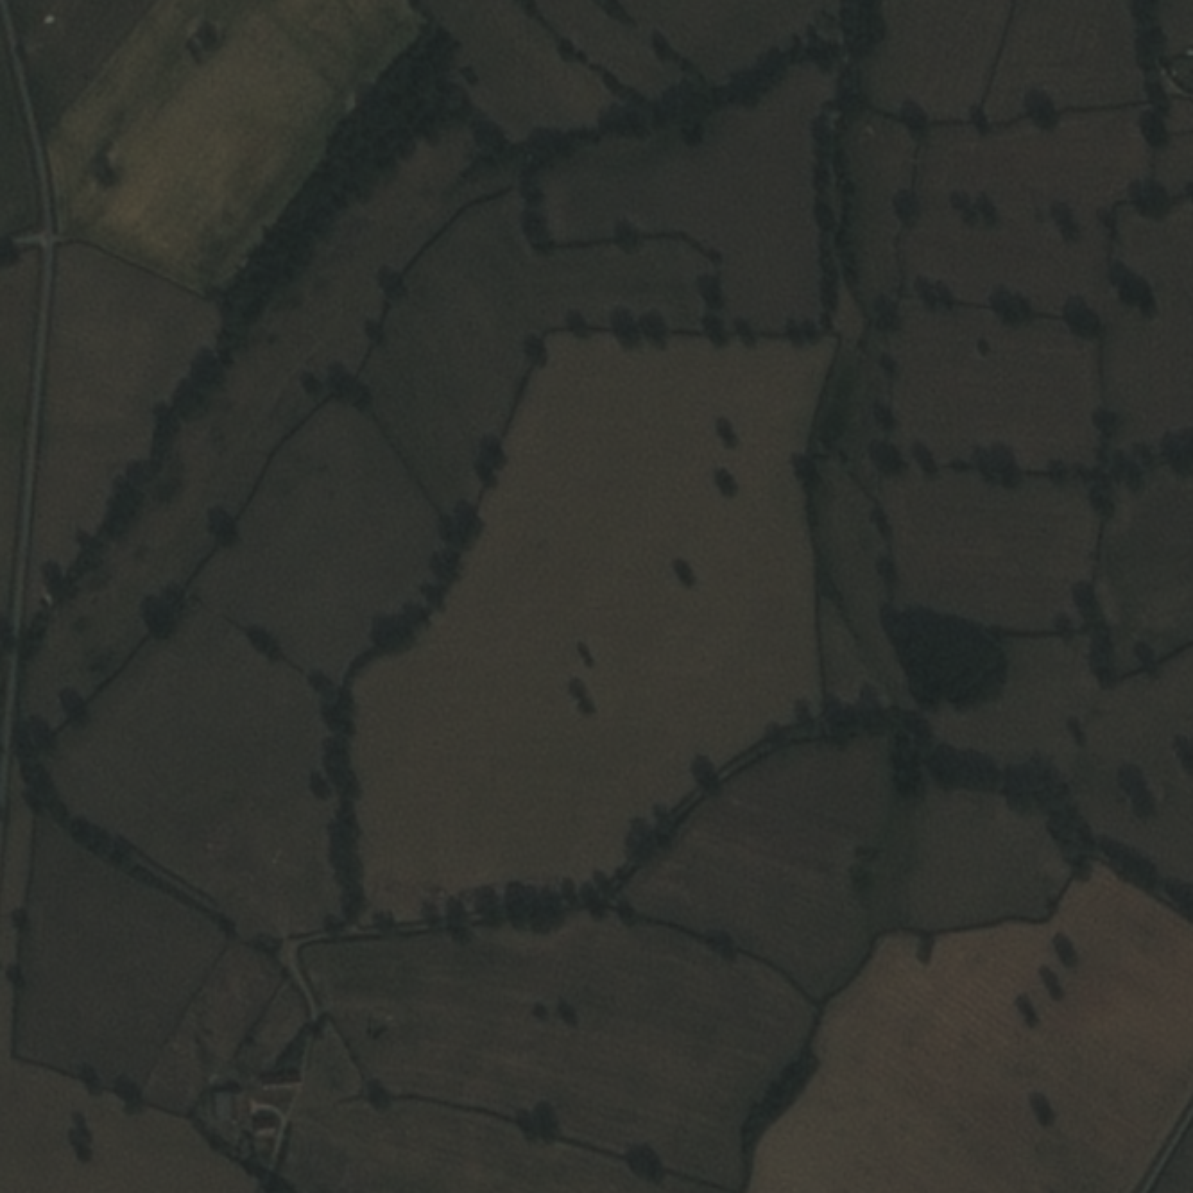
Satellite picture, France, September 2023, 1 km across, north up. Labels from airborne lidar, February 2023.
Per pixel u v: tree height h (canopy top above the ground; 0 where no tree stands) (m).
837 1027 0
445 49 11
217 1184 0
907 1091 0
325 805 0
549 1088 0
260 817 0
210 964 0
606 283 0
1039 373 0
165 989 0
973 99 0
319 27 0
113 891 0
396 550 0
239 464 0
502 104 0
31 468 0
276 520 0
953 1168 0
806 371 0
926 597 0
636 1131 0
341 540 0
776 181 0
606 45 0
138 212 0
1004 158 0
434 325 0
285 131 0
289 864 0
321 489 0
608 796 0
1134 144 0
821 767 0
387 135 17
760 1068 0
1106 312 0
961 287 0
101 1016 0
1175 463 20
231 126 0
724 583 0
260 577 0
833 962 0
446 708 0
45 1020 0
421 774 0
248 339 0
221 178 0
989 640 7
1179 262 0
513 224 0
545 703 0
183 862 0
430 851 0
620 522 0
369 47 0
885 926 0
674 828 11
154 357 0
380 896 0
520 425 0
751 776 0
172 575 0
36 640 6
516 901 19
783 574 0
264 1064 0
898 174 0
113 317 0
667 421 0
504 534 0
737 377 0
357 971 0
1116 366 0
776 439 0
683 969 0
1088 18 0
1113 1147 0
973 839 0
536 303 0
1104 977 0
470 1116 0
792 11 0
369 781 0
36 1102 0
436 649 0
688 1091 0
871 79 0
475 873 0
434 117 15
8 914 0
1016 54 0
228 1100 0
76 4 0
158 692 0
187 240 0
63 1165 0
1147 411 0
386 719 0
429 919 17
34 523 0
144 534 0
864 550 0
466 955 0
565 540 0
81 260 0
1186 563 0
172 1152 0
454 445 0
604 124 14
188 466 0
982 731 0
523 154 12
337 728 13
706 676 0
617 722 0
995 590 0
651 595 0
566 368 0
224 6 0
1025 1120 0
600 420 0
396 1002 0
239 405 0
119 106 0
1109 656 15
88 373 0
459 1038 0
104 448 0
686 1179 0
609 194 0
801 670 0
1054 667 0
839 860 0
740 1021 0
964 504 0
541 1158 0
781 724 0
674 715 0
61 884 0
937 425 0
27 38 0
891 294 0
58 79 0
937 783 15
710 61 0
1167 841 0
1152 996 0
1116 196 0
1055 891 0
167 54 0
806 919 0
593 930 0
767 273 0
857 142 0
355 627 0
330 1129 0
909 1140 0
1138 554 0
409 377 0
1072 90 0
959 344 0
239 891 0
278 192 0
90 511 0
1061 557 0
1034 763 0
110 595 0
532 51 0
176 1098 0
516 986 0
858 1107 0
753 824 0
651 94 0
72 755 0
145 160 0
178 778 0
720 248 0
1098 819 0
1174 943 0
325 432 0
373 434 0
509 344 0
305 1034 6
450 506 0
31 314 0
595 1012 0
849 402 0
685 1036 0
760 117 0
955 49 0
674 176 0
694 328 0
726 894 0
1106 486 16
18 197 0
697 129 8
